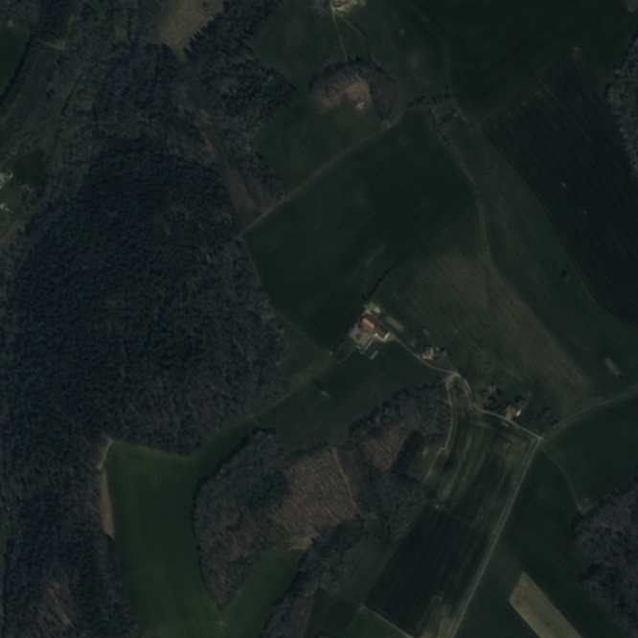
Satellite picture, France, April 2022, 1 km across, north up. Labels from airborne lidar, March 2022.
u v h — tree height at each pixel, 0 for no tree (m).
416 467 0
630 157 17
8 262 13
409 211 0
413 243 0
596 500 0
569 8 0
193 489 0
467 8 0
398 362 0
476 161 0
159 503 0
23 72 17
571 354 0
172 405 24
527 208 0
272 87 19
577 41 0
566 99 0
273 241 0
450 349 0
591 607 0
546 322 0
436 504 0
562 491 0
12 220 0
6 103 20
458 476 0
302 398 0
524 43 0
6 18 18
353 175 0
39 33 22
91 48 20
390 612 0
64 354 26
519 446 0
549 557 0
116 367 29
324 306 0
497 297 0
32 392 23
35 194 0
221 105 20
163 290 26
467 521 0
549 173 0
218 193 22
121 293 26
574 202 0
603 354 0
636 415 0
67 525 28
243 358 30
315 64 0
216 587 21
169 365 28
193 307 28
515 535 0
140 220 22
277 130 0
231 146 17
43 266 25
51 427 23
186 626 0
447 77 0
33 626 19
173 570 0
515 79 0
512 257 0
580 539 23
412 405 25
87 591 34
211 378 23
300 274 0
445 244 0
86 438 21
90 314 24
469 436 0
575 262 0
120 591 15
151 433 27
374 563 0
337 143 0
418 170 0
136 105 23
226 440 0
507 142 0
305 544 0
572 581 0
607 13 0
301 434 0
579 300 0
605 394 0
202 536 24
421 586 0
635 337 0
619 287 0
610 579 10
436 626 0
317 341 0
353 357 0
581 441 0
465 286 0
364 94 0
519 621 0
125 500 0
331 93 27
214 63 22
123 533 0
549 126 0
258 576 0
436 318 0
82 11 22
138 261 22
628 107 14
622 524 30
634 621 24
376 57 14
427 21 0
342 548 18
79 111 15
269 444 24
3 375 20
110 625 21
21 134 6
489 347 0
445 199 0
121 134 25
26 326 21
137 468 0
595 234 0
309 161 0
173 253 22
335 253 0
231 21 13
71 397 24
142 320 21
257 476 24
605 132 0
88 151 21
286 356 21
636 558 28
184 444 24
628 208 0
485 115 0
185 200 19
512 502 0
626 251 0
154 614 0
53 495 15
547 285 0
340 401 0
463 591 0
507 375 0
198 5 0
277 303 0
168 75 24
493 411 10
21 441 32
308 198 0
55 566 27
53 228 29
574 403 0
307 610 19
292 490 19
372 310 0
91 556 33
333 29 0
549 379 0
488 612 0
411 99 0
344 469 0
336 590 18
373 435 16
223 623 0
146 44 22
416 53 0
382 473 18
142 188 17
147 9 23
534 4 0
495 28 0
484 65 0
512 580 0
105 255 21
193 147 30
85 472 20
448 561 0
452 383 0
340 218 0
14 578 20
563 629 0
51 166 7
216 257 21
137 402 27
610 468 0
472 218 0
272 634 16
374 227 0
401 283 0
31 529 23
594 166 0
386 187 0
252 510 22
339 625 0
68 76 29
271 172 12
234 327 29
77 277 17
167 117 20
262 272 0
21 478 27
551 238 0
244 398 26
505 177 0
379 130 0
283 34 0
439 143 0
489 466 0
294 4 0
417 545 0
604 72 0
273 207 18
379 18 0
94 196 20
